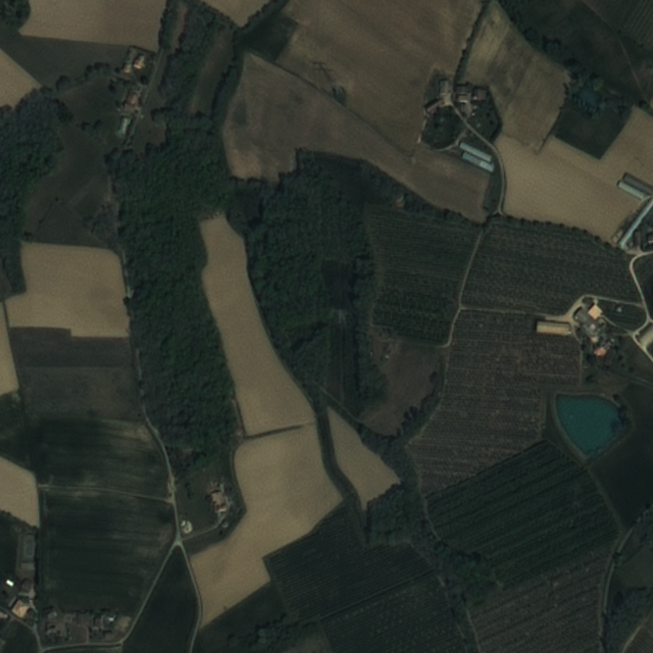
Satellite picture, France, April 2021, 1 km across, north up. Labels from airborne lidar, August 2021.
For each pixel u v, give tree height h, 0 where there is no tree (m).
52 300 0
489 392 5
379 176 16
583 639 6
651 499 0
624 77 0
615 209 0
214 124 13
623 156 0
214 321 15
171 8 15
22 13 10
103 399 0
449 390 6
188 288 21
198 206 20
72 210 0
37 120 20
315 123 0
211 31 19
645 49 7
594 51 0
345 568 5
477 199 0
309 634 7
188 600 0
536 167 0
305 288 28
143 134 0
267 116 0
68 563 0
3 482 0
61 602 0
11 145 21
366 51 0
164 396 12
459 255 6
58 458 0
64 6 0
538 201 0
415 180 0
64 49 0
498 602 7
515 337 5
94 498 0
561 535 7
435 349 0
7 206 20
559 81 0
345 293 8
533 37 24
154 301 22
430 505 7
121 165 18
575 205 0
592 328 0
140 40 0
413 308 6
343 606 5
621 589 0
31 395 0
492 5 0
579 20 0
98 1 0
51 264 0
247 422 0
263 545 0
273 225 19
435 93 0
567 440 0
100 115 0
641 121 0
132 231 21
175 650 0
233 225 18
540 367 6
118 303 0
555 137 0
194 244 14
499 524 6
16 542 0
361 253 7
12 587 0
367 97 0
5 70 0
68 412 0
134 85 8
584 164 0
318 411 12
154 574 0
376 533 18
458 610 16
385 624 5
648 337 0
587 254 6
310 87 0
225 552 0
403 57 0
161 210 18
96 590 0
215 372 23
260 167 0
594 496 7
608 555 6
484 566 26
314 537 6
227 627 0
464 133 0
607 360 9
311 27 0
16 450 0
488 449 7
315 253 23
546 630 6
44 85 0
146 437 0
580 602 7
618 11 0
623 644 17
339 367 7
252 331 0
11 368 0
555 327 0
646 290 0
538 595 8
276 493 0
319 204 20
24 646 0
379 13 0
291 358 15
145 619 0
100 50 0
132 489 0
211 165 22
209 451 25
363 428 14
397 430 0
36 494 0
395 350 0
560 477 8
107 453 0
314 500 0
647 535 7
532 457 9
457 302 7
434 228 5
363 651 6
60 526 0
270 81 0
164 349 20
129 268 13
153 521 0
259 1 0
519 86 0
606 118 0
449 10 0
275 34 0
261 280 25
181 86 22
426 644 5
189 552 0
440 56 0
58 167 16
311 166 18
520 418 7
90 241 0
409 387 0
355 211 11
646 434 0
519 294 6
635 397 0
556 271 6
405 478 23
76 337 0
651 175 0
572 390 0
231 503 9
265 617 0
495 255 5
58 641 10
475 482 6
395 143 0
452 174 0
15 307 0
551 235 6
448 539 7
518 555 6
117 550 0
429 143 0
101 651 0
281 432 0
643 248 9
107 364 0
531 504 7
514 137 0
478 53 0
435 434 6
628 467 0
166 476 0
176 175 24
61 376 0
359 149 0
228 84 17
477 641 12
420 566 6
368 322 17
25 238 13
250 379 0
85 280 0
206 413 21
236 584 0
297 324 23
